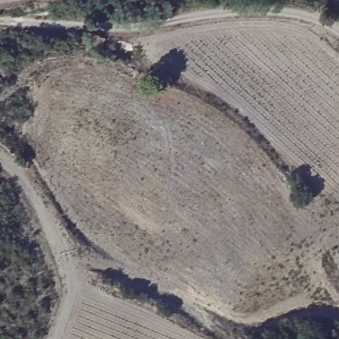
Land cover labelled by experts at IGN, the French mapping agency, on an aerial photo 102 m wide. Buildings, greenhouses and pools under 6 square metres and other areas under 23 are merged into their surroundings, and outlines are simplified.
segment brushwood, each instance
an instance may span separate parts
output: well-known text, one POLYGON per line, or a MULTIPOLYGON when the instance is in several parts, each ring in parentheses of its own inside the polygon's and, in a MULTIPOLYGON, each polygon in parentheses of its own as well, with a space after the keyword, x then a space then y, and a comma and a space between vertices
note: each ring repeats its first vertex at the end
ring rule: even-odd
POLYGON ((16 155, 16 162, 21 166, 24 162, 33 160, 36 152, 29 146, 21 130, 23 123, 33 117, 37 103, 28 98, 29 87, 15 90, 12 85, 17 81, 17 75, 23 72, 30 62, 45 57, 73 54, 73 50, 85 49, 82 36, 68 34, 66 28, 56 24, 0 25, 0 140, 9 147, 12 154, 16 155))
POLYGON ((33 228, 24 204, 20 201, 23 189, 17 184, 17 176, 3 176, 3 167, 0 164, 0 339, 46 339, 50 330, 50 307, 60 299, 54 287, 53 270, 49 269, 41 246, 36 242, 36 228, 33 228))
POLYGON ((49 1, 49 4, 30 7, 23 5, 21 8, 0 8, 0 16, 83 21, 97 9, 101 11, 101 0, 54 0, 49 1))
POLYGON ((339 0, 287 0, 286 7, 320 12, 320 23, 339 23, 339 0))

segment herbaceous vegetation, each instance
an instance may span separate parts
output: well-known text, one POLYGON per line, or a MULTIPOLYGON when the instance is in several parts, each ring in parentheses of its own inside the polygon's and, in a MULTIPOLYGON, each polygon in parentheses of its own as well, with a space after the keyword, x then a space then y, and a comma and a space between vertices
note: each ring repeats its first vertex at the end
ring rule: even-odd
POLYGON ((70 220, 46 181, 42 179, 33 160, 24 162, 21 166, 32 169, 33 183, 40 185, 42 193, 49 197, 50 203, 56 208, 57 217, 66 228, 62 236, 68 238, 69 245, 73 246, 72 256, 78 257, 95 253, 103 260, 111 261, 113 256, 87 240, 85 234, 70 220))
POLYGON ((256 140, 258 147, 269 156, 275 167, 285 173, 287 179, 291 175, 295 167, 287 166, 283 162, 281 155, 271 147, 269 140, 258 131, 248 117, 217 95, 199 86, 185 83, 179 78, 173 87, 220 110, 224 117, 244 130, 250 139, 256 140))
POLYGON ((99 287, 114 298, 123 298, 118 286, 103 283, 101 275, 97 275, 91 279, 91 285, 99 287))
POLYGON ((216 313, 211 318, 212 326, 207 328, 181 307, 179 313, 167 316, 168 322, 208 339, 249 339, 249 335, 245 334, 245 328, 249 324, 233 322, 216 313))
POLYGON ((128 41, 132 38, 150 37, 154 33, 111 33, 114 40, 131 53, 131 61, 128 64, 136 72, 144 75, 151 75, 150 68, 154 64, 148 61, 142 45, 132 48, 128 41))

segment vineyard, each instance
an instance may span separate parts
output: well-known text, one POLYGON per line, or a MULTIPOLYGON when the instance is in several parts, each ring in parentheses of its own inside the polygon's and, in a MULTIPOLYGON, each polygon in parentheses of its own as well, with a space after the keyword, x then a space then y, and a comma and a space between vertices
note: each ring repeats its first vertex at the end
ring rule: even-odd
POLYGON ((21 8, 23 5, 30 7, 49 4, 49 1, 54 0, 0 0, 0 8, 21 8))
POLYGON ((160 85, 166 86, 167 89, 160 91, 160 98, 143 99, 139 97, 136 85, 144 75, 136 72, 128 64, 121 60, 111 61, 109 58, 105 65, 98 65, 98 58, 86 57, 85 49, 73 50, 73 54, 45 57, 30 62, 23 72, 17 75, 17 81, 12 85, 15 90, 29 87, 28 98, 37 103, 33 117, 23 123, 21 130, 29 146, 36 152, 33 160, 42 179, 46 181, 70 220, 85 234, 87 240, 113 256, 111 261, 103 260, 95 253, 78 257, 78 264, 75 265, 77 281, 66 286, 68 294, 60 299, 50 307, 50 330, 46 339, 208 339, 168 322, 167 316, 179 313, 181 307, 207 328, 212 326, 211 318, 216 313, 233 322, 249 324, 257 326, 274 316, 285 314, 286 319, 302 319, 307 322, 314 320, 322 324, 324 334, 327 330, 332 331, 335 326, 334 320, 339 320, 339 23, 320 23, 318 25, 297 17, 269 16, 267 13, 262 19, 238 20, 237 16, 201 19, 167 26, 163 32, 156 30, 154 33, 150 37, 132 38, 128 41, 132 48, 142 45, 148 61, 154 64, 150 68, 151 75, 158 77, 160 85), (287 166, 295 167, 291 175, 299 176, 302 183, 309 188, 314 200, 306 207, 294 207, 293 201, 290 200, 291 187, 287 179, 285 173, 275 167, 269 156, 258 147, 256 140, 250 139, 244 130, 224 117, 220 110, 173 87, 179 78, 185 83, 199 86, 217 95, 248 117, 258 131, 269 140, 271 147, 281 155, 283 162, 287 166), (114 298, 99 287, 91 285, 91 279, 97 275, 101 275, 103 283, 118 286, 123 298, 114 298))

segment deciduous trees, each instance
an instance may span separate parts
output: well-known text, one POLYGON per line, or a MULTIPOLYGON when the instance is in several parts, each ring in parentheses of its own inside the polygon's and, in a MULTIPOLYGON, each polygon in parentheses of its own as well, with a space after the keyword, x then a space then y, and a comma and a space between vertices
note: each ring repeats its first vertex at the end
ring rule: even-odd
POLYGON ((306 207, 314 200, 309 188, 302 183, 299 176, 291 175, 287 179, 291 187, 290 200, 293 201, 294 207, 306 207))
POLYGON ((156 30, 163 32, 167 26, 166 20, 171 17, 201 9, 221 7, 237 12, 237 16, 238 20, 262 19, 267 13, 281 12, 282 8, 286 7, 287 0, 101 0, 101 11, 97 9, 83 21, 81 28, 66 28, 68 34, 82 36, 85 49, 86 57, 98 58, 98 65, 105 65, 109 58, 111 61, 121 60, 128 64, 131 61, 131 53, 114 40, 111 33, 154 33, 156 30))
POLYGON ((307 322, 302 319, 286 319, 285 314, 274 316, 257 326, 249 324, 245 328, 245 334, 249 335, 249 339, 339 339, 339 320, 334 320, 335 326, 332 331, 327 330, 324 334, 322 324, 314 320, 307 322))
POLYGON ((160 85, 158 77, 151 75, 144 75, 136 85, 139 97, 143 99, 160 98, 160 91, 167 89, 166 86, 160 85))

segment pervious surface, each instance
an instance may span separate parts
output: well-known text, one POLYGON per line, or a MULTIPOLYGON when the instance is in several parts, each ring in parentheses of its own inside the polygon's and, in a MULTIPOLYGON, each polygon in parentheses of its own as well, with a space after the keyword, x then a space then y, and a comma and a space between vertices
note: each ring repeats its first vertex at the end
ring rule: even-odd
POLYGON ((56 208, 50 203, 49 197, 42 193, 40 185, 33 183, 32 169, 21 166, 16 162, 16 155, 12 154, 9 147, 0 140, 0 164, 3 167, 3 176, 17 176, 17 184, 23 189, 20 201, 24 204, 33 228, 36 228, 36 242, 41 246, 49 269, 53 270, 54 287, 60 299, 68 294, 66 286, 77 281, 75 265, 78 264, 78 257, 72 256, 73 246, 69 245, 68 238, 62 236, 66 228, 57 217, 56 208))
POLYGON ((237 12, 221 7, 201 9, 171 17, 166 20, 167 26, 201 19, 237 16, 237 12))
POLYGON ((269 16, 297 17, 318 25, 320 23, 320 12, 286 7, 282 8, 281 12, 267 13, 269 16))
POLYGON ((0 25, 56 24, 66 28, 81 28, 83 21, 0 16, 0 25))

